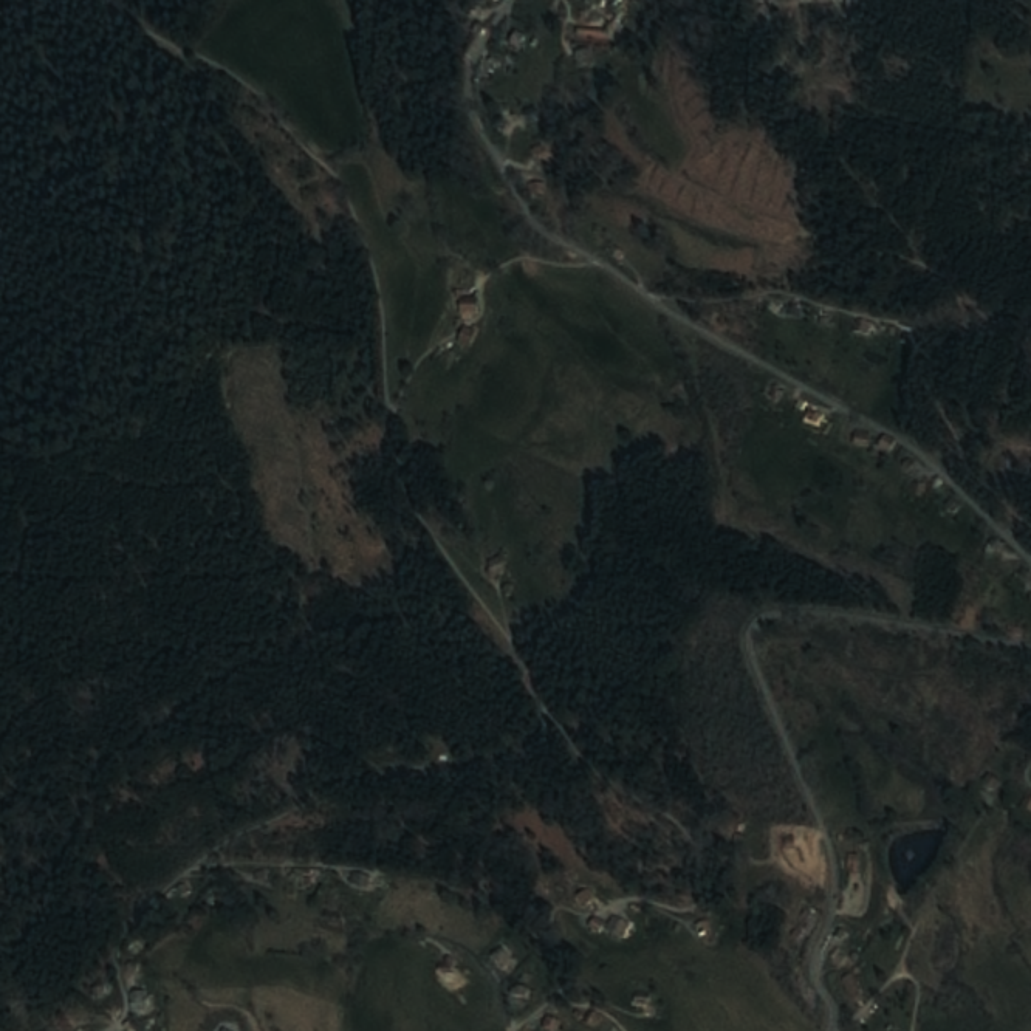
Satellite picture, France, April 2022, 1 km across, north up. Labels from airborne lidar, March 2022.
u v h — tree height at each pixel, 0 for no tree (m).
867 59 15
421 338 0
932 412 30
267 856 8
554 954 18
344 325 14
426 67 37
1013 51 27
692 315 15
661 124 0
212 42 0
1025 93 0
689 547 30
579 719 33
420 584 27
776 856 0
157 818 13
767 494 0
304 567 15
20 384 27
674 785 11
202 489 21
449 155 36
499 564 0
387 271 0
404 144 29
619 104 11
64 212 25
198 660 28
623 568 27
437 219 13
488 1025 0
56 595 25
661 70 0
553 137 26
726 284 9
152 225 14
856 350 0
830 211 22
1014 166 23
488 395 0
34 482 6
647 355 0
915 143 19
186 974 0
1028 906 0
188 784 11
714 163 0
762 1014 0
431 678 24
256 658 26
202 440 17
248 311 15
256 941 0
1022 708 0
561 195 21
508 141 0
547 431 0
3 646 24
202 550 19
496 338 0
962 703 0
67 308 19
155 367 15
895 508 0
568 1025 0
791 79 17
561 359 0
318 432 0
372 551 0
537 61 0
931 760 0
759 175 0
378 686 30
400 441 29
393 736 27
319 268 24
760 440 0
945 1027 0
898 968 0
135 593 22
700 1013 0
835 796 0
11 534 9
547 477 0
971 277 18
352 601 9
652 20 14
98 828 17
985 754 0
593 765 26
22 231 19
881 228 16
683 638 28
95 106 29
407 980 0
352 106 0
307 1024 0
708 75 11
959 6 17
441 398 0
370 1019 0
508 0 0
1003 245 15
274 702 26
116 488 13
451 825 27
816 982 0
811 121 21
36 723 27
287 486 0
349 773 32
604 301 0
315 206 0
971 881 0
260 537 21
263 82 0
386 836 27
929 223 11
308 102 0
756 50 16
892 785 0
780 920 16
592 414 0
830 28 18
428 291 0
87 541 23
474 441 0
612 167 21
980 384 22
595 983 0
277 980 0
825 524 0
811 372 0
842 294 19
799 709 0
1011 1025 0
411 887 0
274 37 0
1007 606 0
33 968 26
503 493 0
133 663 23
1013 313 19
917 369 32
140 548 21
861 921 0
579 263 0
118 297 23
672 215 0
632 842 21
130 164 16
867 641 0
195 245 24
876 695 0
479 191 26
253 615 24
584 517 0
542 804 16
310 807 32
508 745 22
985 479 28
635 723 8
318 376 9
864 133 9
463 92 20
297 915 0
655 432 0
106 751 28
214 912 16
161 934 23
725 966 0
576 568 28
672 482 26
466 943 0
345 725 24
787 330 0
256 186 23
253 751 30
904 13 17
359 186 0
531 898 17
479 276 0
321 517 0
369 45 21
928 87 16
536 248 18
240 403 0
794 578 24
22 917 28
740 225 0
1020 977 0
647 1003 0
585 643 24
